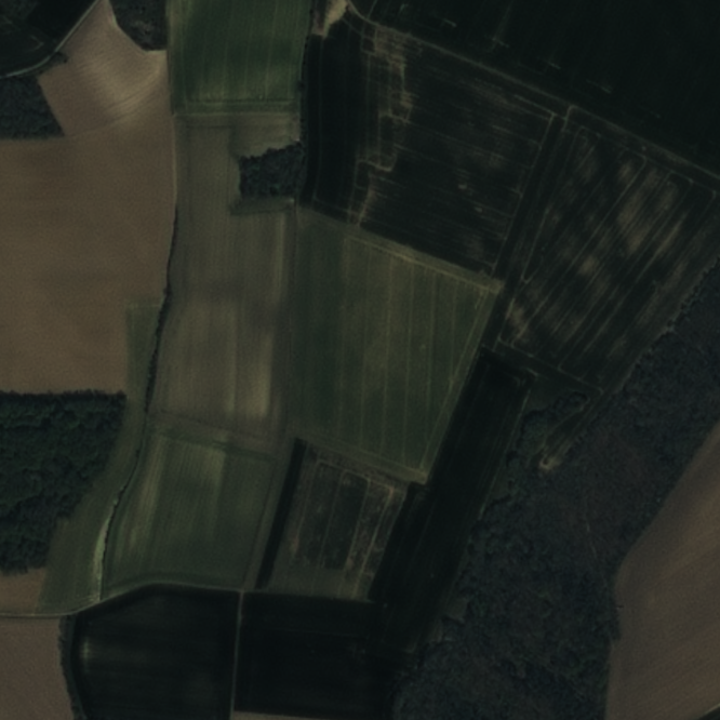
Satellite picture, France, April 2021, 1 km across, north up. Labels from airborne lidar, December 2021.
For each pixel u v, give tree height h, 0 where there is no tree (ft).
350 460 0
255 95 0
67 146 0
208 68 0
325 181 0
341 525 0
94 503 0
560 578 70
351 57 0
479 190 0
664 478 36
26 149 0
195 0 0
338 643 0
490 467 0
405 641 0
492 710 54
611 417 40
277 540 0
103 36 0
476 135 0
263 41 0
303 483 0
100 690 0
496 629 52
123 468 0
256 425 0
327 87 0
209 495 0
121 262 0
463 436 0
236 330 0
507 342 0
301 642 0
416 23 0
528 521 49
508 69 0
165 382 0
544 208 0
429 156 0
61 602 0
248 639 0
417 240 0
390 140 0
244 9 0
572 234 0
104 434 71
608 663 50
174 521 0
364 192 0
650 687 0
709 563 0
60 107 0
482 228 0
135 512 0
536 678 73
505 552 78
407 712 27
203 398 0
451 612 0
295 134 0
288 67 0
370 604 0
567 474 48
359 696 0
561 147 0
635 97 0
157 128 0
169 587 0
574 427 0
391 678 0
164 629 0
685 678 0
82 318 0
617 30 0
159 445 0
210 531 0
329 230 0
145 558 0
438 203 0
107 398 58
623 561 33
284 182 43
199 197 0
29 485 76
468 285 0
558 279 0
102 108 0
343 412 0
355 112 0
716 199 0
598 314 0
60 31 0
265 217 0
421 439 0
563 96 0
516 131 0
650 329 0
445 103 0
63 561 0
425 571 0
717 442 0
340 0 0
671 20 0
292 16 0
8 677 0
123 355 0
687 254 0
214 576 0
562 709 50
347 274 0
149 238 0
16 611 0
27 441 80
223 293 0
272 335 0
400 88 0
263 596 0
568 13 0
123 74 0
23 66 0
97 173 0
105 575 0
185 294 0
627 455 52
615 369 0
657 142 0
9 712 0
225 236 0
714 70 0
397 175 0
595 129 0
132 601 0
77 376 0
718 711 0
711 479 0
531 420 40
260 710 0
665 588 0
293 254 0
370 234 0
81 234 0
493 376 0
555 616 66
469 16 0
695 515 0
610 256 0
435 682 61
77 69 0
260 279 0
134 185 0
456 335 0
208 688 0
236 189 0
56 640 0
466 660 46
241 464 0
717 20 0
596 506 44
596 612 53
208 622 0
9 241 0
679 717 0
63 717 0
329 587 0
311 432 0
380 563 0
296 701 0
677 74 0
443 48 0
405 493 0
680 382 38
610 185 0
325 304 0
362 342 0
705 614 0
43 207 0
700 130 0
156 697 0
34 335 0
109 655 0
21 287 0
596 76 0
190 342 0
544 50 0
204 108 0
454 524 0
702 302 24
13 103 62
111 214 0
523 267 0
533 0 0
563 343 0
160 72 0
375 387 0
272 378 0
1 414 46
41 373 0
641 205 0
